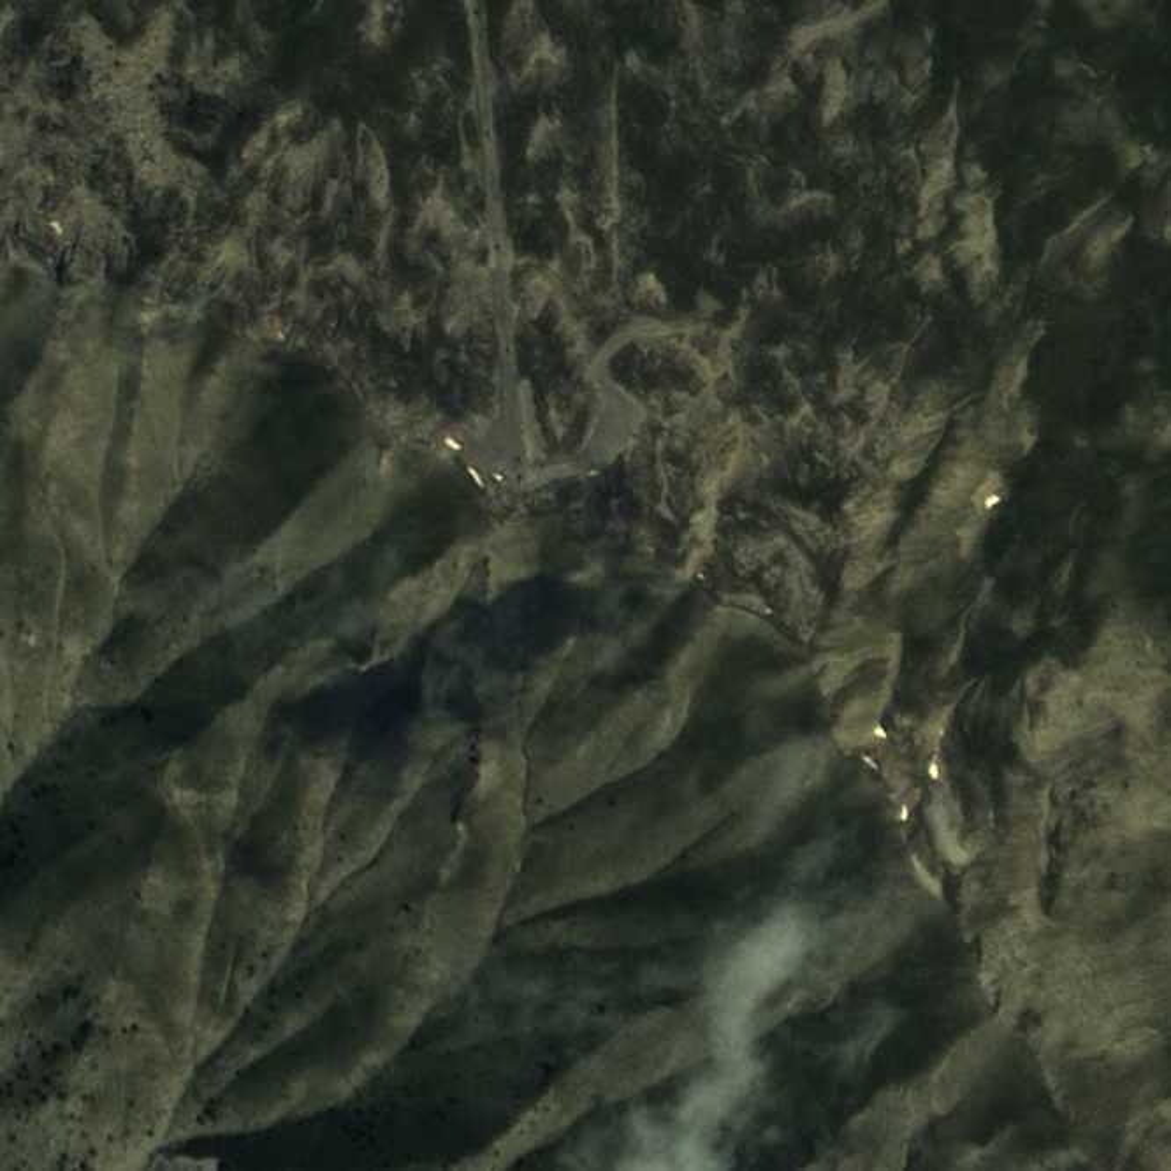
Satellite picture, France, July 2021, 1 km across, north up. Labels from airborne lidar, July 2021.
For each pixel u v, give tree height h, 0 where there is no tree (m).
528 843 0
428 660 0
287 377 0
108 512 0
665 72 0
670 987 0
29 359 0
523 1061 0
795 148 0
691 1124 0
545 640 0
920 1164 0
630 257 0
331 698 0
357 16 0
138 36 0
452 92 0
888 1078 0
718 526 0
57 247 0
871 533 0
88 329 0
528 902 0
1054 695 0
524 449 0
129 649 0
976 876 0
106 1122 0
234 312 0
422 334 0
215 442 0
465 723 0
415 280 0
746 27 0
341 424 0
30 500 0
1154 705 0
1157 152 0
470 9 0
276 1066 0
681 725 0
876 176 0
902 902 0
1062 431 0
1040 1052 0
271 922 0
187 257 0
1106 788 0
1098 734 0
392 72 0
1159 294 0
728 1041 0
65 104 0
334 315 0
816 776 0
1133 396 0
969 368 0
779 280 0
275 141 0
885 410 0
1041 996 0
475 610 0
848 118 0
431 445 0
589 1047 0
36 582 0
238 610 0
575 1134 0
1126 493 0
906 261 0
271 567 0
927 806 0
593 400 0
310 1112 0
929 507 0
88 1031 7
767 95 0
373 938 0
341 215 0
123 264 0
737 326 0
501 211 0
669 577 0
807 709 0
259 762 0
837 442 0
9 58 0
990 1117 0
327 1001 0
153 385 0
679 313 0
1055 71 0
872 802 0
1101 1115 0
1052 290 0
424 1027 0
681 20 0
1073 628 0
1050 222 0
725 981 0
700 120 0
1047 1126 0
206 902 0
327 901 0
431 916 0
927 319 0
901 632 0
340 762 0
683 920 0
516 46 0
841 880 0
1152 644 0
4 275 0
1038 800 0
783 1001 0
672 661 0
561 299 0
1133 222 0
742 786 0
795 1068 0
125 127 0
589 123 0
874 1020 0
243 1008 0
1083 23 0
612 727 0
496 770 0
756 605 0
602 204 0
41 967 0
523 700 0
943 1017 0
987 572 0
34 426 0
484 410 0
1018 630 0
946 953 0
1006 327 0
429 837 0
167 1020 0
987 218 0
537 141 0
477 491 0
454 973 0
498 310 0
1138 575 0
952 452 0
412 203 0
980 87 0
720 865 0
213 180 0
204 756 0
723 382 0
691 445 0
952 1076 0
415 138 0
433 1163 0
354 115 0
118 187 0
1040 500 0
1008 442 0
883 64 0
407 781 0
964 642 0
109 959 0
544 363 0
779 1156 0
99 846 0
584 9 0
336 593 0
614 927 0
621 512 0
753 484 0
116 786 0
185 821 0
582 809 0
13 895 0
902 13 0
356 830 0
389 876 0
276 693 0
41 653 0
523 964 0
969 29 0
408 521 0
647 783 0
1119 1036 0
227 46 0
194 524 0
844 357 0
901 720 0
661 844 0
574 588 0
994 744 0
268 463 0
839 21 0
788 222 0
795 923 0
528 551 0
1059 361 0
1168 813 0
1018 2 0
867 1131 0
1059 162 0
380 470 0
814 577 0
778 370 0
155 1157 0
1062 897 0
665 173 0
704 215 0
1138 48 0
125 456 0
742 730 0
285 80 0
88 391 0
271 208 0
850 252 0
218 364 0
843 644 0
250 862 0
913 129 0
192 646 0
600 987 0
